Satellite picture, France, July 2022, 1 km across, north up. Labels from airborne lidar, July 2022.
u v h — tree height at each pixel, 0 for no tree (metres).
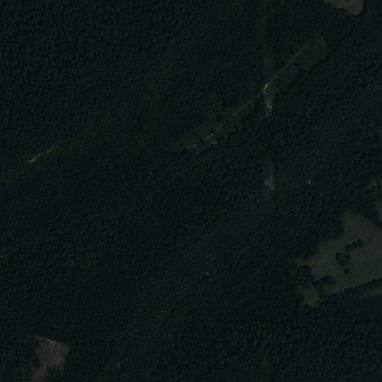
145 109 26
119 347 23
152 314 18
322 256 0
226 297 35
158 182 18
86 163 31
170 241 16
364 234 0
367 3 24
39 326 22
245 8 25
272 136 7
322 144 20
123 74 17
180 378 33
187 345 25
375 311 6
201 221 28
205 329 28
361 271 0
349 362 20
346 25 15
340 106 18
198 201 22
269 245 31
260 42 9
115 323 18
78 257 25
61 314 29
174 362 29
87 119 16
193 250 12
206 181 18
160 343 31
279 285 14
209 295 22
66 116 17
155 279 20
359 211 20
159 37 27
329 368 20
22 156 14
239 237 17
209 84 31
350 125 15
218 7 20
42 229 24
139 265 14
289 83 0
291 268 28
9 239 19
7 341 18
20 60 36
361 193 30
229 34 34
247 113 0
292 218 29
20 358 17
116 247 23
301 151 21
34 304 27
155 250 16
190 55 27
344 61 33
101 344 23
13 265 28
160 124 27
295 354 36
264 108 19
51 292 20
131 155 33
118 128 21
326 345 39
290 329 30
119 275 13
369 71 33
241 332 38
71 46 19
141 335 24
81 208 28
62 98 18
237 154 34
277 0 20
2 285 22
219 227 15
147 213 33
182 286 22
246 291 28
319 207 28
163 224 21
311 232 25
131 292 13
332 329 29
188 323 26
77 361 23
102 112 16
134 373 19
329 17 15
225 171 27
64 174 24
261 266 30
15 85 28
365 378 22
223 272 29
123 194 29
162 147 26
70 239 24
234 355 31
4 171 14
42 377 0
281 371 30
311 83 25
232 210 20
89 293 24
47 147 10
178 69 23
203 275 15
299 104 34
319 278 0
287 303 8
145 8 16
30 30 15
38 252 19
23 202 35
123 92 12
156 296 21
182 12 21
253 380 24
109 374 24
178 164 24
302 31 13
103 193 22
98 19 25
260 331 36
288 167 14
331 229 26
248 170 27
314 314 30
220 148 20
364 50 37
